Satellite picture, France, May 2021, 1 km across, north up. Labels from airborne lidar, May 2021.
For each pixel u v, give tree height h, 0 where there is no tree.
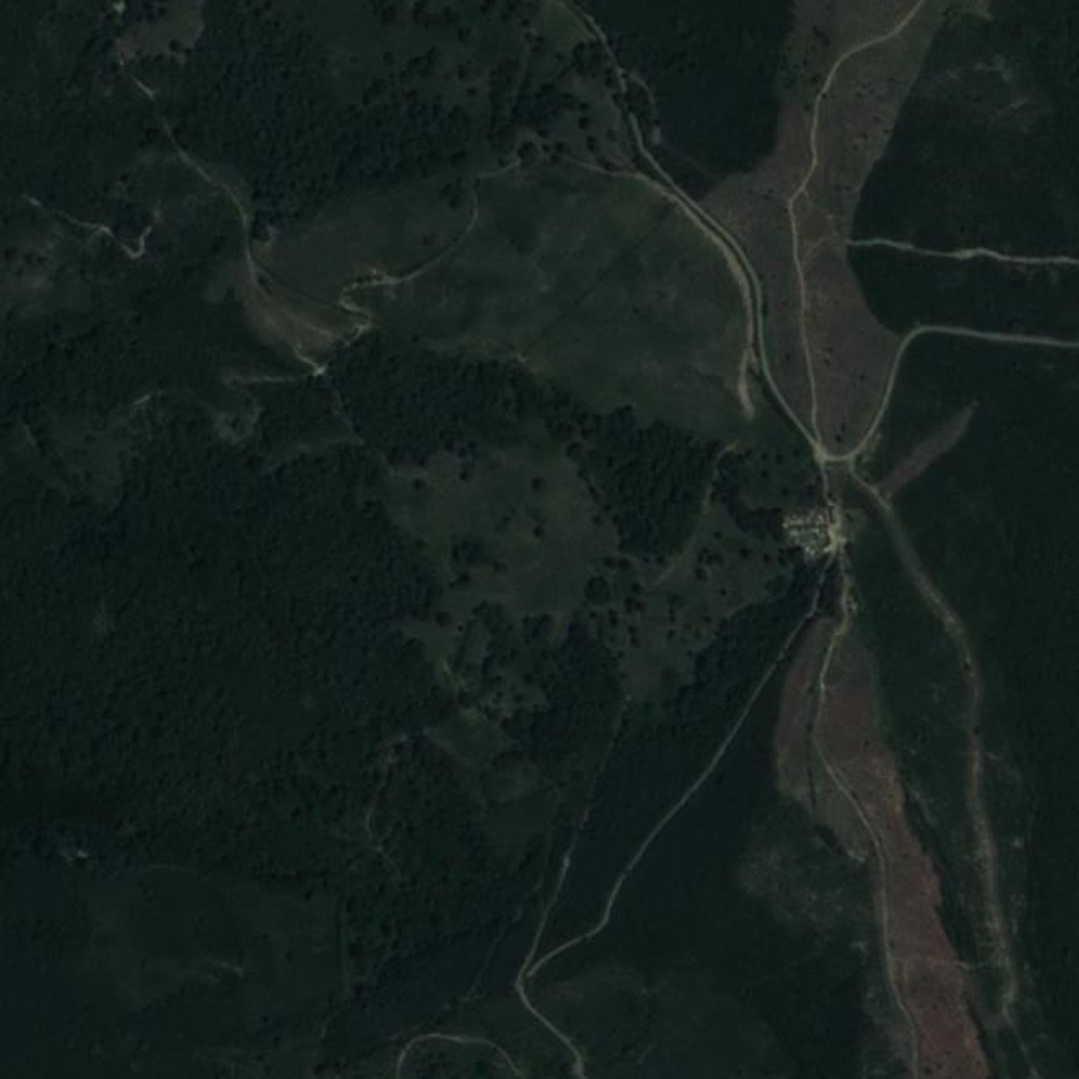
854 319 0
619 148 0
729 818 6
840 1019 5
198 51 7
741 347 0
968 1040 0
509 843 0
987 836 0
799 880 0
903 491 0
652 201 0
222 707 7
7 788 10
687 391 0
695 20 6
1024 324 10
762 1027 0
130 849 22
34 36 5
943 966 0
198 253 7
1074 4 8
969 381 7
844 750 0
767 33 6
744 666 12
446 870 6
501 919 11
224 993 6
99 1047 10
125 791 12
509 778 0
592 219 0
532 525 0
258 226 13
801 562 8
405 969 8
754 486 0
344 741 10
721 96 5
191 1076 5
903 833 0
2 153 13
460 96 0
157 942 0
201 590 14
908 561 0
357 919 8
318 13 0
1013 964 0
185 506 16
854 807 0
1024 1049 0
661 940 5
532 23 11
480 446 11
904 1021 0
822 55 0
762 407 0
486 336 0
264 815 11
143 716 15
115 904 0
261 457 6
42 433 16
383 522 12
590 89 0
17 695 7
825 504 10
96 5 6
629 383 0
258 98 7
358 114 15
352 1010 6
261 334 0
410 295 0
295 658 10
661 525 12
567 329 0
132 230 9
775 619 8
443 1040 0
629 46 6
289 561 9
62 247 0
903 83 0
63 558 19
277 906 0
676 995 0
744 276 0
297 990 0
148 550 18
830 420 0
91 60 6
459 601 0
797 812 0
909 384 0
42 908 6
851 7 0
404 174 17
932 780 0
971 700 0
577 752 5
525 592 0
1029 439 8
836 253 0
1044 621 6
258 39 6
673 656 0
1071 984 6
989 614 0
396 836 12
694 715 16
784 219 0
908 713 0
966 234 7
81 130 7
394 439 7
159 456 12
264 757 5
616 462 13
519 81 7
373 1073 0
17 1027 6
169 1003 6
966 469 0
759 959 6
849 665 0
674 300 0
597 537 0
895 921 0
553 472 0
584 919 6
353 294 0
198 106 13
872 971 0
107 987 0
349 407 11
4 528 15
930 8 0
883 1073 0
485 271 0
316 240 0
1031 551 5
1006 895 0
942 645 0
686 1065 0
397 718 15
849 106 0
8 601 20
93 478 10
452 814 6
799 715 0
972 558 0
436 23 12
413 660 11
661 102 7
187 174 0
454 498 0
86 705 14
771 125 6
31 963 5
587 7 12
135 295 7
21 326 8
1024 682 7
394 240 0
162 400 9
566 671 6
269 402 9
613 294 0
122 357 10
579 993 0
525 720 10
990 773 0
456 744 0
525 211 0
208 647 15
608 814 6
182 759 6
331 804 13
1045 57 8
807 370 0
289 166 9
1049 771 8
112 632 12
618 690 12
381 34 0
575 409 9
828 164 0
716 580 0
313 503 8
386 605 16
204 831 19
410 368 7
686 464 8
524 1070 0
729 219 0
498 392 7
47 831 15
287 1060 0
